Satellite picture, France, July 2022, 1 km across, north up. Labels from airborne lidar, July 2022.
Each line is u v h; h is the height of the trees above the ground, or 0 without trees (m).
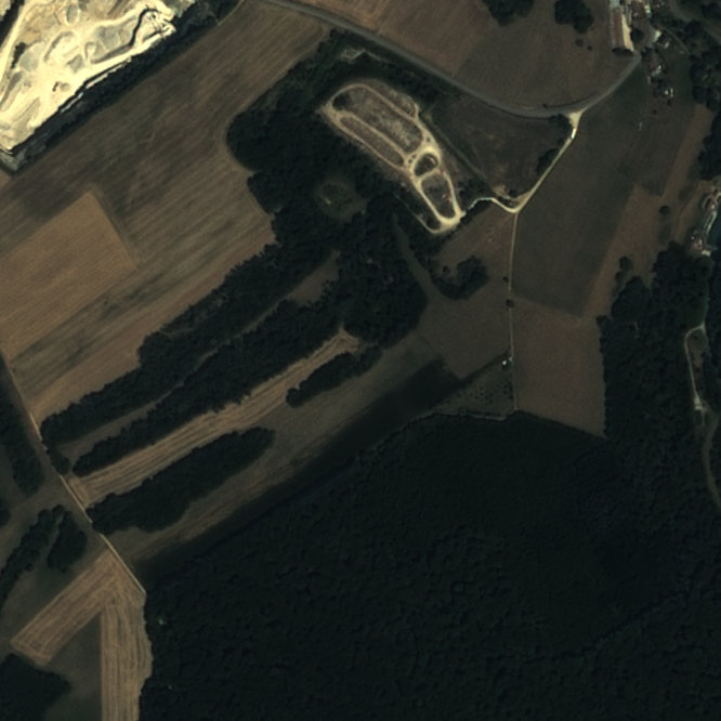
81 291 0
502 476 9
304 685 28
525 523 10
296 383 0
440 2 0
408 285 22
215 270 0
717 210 0
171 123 0
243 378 24
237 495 0
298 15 0
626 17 0
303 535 23
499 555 11
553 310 0
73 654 0
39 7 0
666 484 23
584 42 7
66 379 0
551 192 0
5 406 18
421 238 13
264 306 15
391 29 0
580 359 0
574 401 0
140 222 0
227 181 0
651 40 0
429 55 0
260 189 16
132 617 0
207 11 0
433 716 24
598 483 13
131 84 11
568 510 9
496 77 0
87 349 0
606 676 32
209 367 19
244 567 30
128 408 15
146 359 13
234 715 22
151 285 0
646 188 0
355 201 6
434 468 11
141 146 0
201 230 0
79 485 0
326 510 25
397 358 0
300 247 21
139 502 19
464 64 0
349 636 25
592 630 11
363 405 0
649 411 21
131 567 0
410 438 11
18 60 0
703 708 27
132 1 0
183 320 11
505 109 0
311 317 22
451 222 0
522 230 0
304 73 8
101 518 10
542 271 0
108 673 0
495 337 0
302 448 0
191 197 0
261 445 18
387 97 0
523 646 21
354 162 16
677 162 0
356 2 0
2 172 0
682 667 30
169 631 23
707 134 0
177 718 30
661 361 14
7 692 22
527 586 8
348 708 29
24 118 0
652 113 0
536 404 0
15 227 0
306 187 16
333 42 9
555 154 11
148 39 0
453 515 11
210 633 24
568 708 25
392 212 12
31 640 0
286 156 24
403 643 29
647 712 30
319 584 28
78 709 0
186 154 0
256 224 0
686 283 31
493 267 0
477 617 26
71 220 0
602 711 30
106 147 0
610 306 0
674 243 7
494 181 0
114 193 0
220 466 24
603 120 0
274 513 18
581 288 0
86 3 0
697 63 15
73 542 20
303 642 24
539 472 9
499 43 0
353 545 24
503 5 15
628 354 28
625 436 21
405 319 20
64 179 0
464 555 25
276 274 19
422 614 19
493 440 9
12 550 0
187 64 0
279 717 23
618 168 0
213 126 0
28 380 0
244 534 18
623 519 21
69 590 0
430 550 11
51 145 9
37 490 9
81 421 14
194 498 20
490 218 0
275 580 27
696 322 0
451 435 10
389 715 30
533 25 0
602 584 7
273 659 30
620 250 0
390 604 29
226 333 18
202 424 0
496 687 26
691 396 10
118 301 0
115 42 0
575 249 0
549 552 14
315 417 0
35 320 0
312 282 0
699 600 28
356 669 29
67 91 0
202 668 24
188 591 26
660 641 28
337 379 15
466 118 0
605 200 0
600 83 0
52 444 11
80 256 0
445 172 0
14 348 0
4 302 0
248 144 19
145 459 0
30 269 0
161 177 0
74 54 0
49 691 20
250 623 26
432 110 0
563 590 9
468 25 0
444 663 28
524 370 0
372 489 16
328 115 0
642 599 12
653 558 15
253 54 0
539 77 0
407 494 15
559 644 8
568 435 9
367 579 23
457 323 0
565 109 0
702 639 29
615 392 22
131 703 0
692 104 0
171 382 16
